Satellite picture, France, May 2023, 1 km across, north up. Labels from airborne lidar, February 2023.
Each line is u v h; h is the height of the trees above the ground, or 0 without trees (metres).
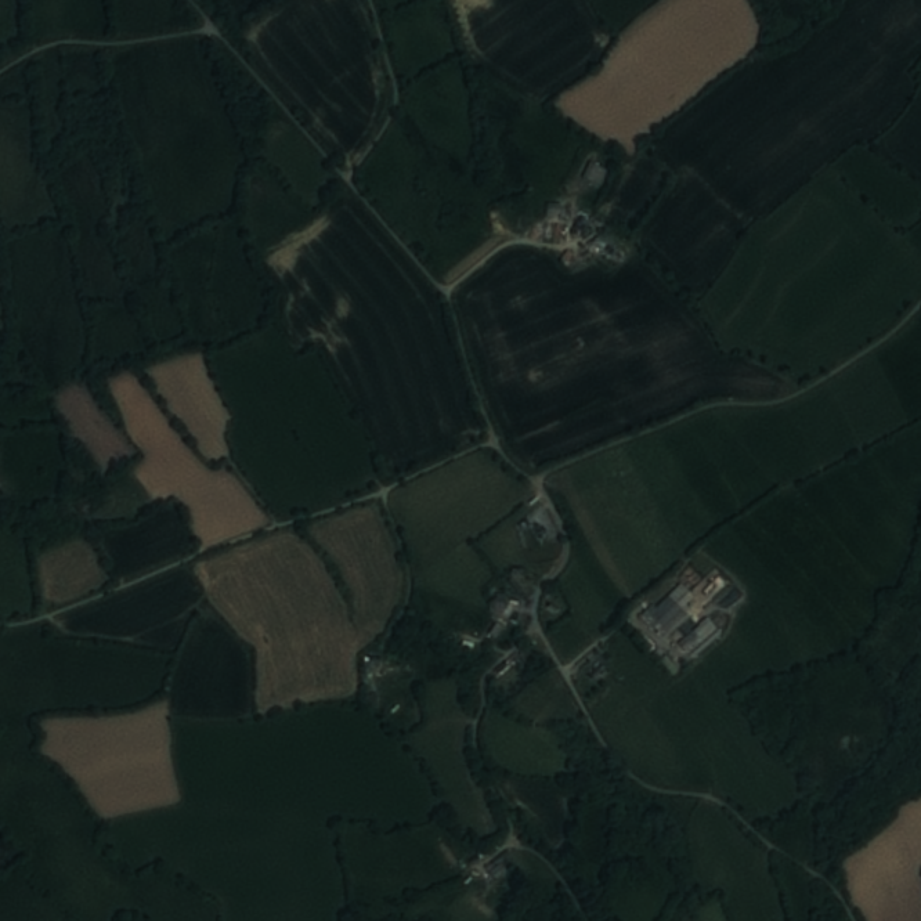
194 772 0
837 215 0
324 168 11
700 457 0
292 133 0
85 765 0
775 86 0
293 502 0
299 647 0
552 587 10
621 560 0
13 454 0
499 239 0
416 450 0
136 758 0
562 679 0
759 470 0
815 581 0
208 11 9
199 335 0
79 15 0
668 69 0
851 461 12
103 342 0
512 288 0
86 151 10
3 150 0
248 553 0
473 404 11
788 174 0
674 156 0
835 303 0
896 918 0
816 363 0
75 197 0
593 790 10
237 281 0
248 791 0
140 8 0
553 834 0
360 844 0
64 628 0
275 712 12
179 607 0
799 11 0
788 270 0
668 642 0
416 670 0
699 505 0
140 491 0
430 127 0
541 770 0
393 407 0
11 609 0
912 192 0
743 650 0
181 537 0
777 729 0
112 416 9
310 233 0
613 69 0
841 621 0
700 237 0
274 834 0
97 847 8
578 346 0
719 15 0
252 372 0
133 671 0
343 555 0
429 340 0
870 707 0
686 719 0
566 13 0
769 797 0
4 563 0
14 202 0
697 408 12
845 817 17
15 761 0
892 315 0
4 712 0
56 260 0
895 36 0
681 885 6
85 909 0
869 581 0
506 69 0
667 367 0
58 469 0
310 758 0
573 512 0
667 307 0
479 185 12
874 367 0
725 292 0
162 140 0
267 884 0
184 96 0
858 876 0
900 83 0
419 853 0
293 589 0
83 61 0
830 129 0
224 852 0
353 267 0
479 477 0
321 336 0
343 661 0
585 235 9
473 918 0
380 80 0
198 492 0
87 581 0
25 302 0
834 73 0
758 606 0
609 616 0
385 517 11
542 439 0
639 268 0
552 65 0
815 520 0
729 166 0
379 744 0
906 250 0
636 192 0
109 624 0
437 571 0
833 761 0
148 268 0
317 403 0
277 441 0
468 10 0
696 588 0
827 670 10
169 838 0
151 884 0
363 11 0
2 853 0
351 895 7
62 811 0
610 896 8
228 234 0
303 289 0
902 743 14
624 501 0
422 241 0
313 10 0
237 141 7
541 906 10
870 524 0
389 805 0
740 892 0
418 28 0
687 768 0
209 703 0
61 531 9
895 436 6
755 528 0
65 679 0
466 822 0
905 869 0
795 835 0
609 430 0
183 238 12
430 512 0
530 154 0
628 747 0
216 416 0
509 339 0
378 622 0
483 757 9
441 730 0
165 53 0
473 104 11
